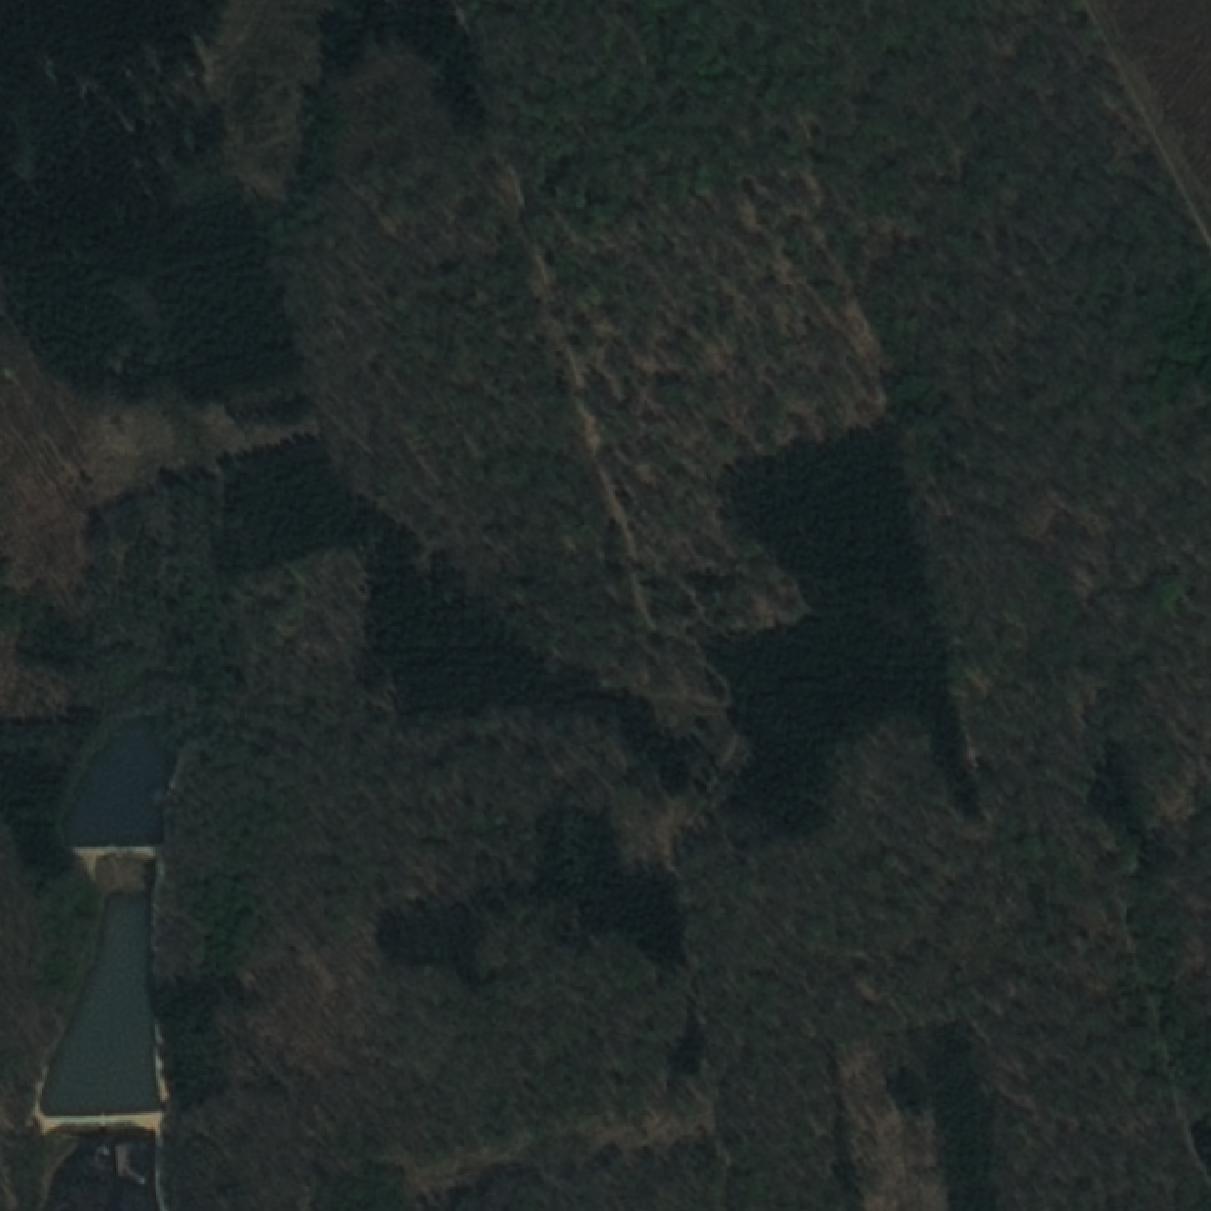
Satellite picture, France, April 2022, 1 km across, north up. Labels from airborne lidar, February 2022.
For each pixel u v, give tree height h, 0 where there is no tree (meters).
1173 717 28
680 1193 30
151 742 0
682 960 23
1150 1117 32
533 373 26
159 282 12
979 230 28
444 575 21
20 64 33
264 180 0
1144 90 0
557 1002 25
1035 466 30
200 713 15
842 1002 30
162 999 22
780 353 28
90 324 24
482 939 16
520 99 27
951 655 18
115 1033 0
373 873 29
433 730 19
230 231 18
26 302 23
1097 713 25
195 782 24
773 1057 25
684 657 28
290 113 0
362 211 31
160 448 0
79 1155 0
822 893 28
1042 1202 27
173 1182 21
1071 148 30
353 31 29
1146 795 29
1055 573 25
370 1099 30
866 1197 21
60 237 35
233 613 26
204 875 29
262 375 23
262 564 7
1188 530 30
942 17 29
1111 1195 27
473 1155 26
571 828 24
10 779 25
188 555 27
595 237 30
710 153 31
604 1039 26
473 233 27
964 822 25
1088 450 30
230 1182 20
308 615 29
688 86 27
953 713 20
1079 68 30
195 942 27
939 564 21
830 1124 24
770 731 28
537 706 18
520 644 23
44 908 26
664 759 26
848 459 19
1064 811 31
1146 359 32
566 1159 0
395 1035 23
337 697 26
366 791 24
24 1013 27
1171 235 32
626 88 25
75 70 28
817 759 23
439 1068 27
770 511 19
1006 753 29
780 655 18
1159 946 22
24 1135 23
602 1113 27
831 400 28
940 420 23
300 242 28
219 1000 25
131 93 17
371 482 24
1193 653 28
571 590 29
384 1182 31
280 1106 25
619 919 23
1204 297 25
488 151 29
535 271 28
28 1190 25
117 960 0
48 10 27
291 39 0
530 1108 25
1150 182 31
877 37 28
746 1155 26
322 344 29
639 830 0
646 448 28
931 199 31
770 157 31
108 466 0
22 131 26
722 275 30
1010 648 29
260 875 27
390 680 24
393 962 21
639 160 24
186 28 30
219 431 0
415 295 32
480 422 28
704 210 28
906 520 22
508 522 26
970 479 21
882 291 28
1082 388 31
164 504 26
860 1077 0
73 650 20
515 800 26
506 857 28
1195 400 30
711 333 26
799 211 34
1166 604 30
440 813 27
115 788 0
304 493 17
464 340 27
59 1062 0
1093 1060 28
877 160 31
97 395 21
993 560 30
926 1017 26
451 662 21
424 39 27
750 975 24
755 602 0
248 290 22
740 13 31
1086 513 27
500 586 25
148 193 33
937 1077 17
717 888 26
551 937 25
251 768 28
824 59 28
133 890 0
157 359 13
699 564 25
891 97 29
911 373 23
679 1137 0
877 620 10
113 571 28
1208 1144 25
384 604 24
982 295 30
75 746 14
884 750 27
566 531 29
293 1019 0
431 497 0
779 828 27
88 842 0
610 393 24
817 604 21
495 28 27
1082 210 30
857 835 25
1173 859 21
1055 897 18
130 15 26
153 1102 0
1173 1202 28
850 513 24
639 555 0
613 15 27
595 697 21
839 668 16
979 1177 18
